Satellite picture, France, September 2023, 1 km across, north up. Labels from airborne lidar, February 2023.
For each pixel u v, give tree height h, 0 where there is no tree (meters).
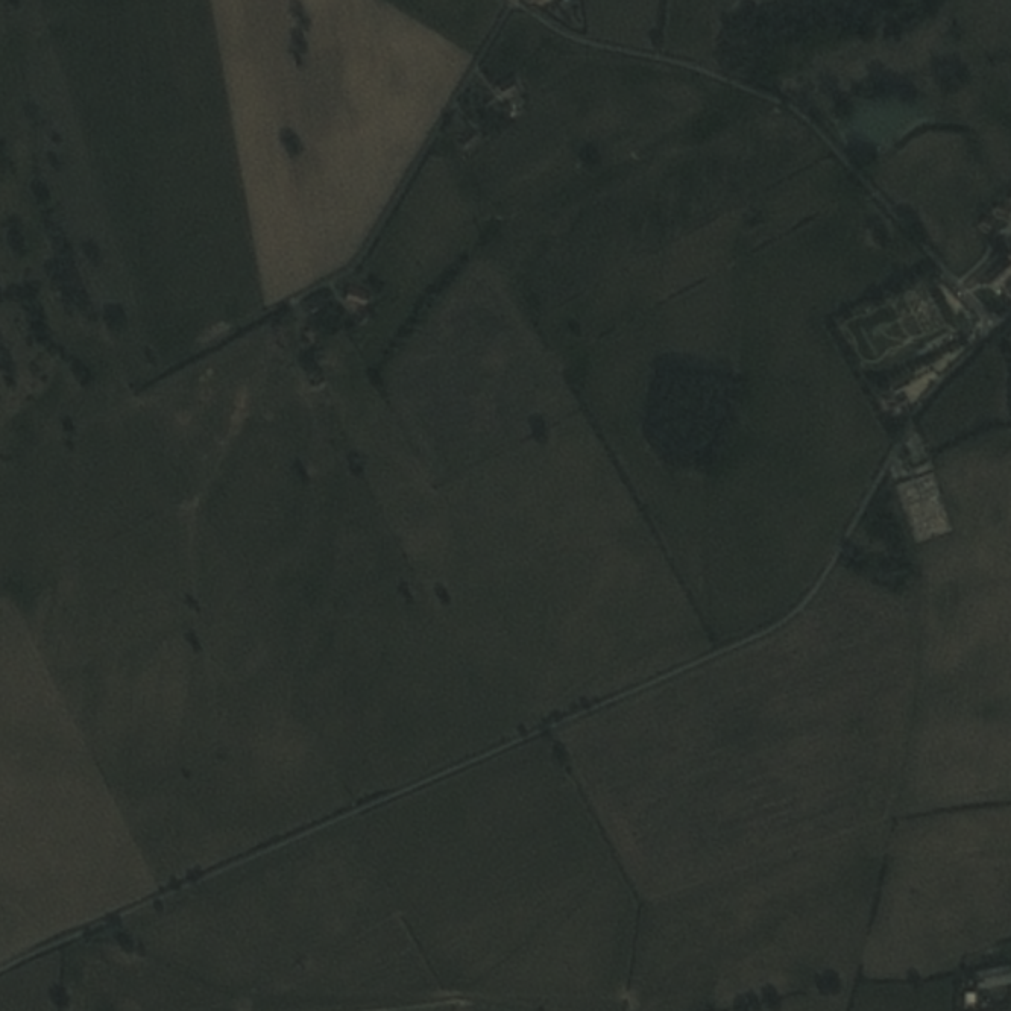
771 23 19
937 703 0
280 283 0
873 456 0
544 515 0
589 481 0
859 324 0
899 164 0
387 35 0
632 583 0
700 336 0
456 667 0
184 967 0
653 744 0
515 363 0
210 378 0
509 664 0
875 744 0
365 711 0
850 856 0
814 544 0
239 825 0
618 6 0
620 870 0
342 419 0
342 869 0
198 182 0
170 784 0
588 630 0
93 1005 0
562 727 0
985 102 0
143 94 0
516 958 0
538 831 0
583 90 0
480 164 0
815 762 0
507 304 0
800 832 0
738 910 0
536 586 0
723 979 0
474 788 0
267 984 0
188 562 0
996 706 0
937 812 0
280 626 0
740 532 0
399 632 0
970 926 0
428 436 0
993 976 0
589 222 0
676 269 0
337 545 0
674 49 0
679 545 0
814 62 0
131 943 12
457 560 0
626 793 0
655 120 0
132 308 0
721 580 0
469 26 0
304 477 16
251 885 0
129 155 0
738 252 0
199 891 0
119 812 0
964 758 0
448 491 0
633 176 0
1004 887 0
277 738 0
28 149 0
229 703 0
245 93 0
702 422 26
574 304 0
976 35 0
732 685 0
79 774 0
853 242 0
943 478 0
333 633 0
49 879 0
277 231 0
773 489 0
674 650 0
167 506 0
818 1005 0
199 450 0
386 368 0
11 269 0
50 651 0
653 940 0
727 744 0
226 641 0
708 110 0
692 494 0
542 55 0
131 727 0
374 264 0
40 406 0
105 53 0
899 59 0
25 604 0
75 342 0
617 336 0
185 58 0
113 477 0
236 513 0
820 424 0
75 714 0
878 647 0
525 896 0
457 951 0
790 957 0
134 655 0
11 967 0
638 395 0
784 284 0
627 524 0
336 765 0
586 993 0
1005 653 0
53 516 0
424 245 0
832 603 0
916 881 0
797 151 0
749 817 0
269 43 0
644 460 0
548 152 0
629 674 0
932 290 9
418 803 0
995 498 0
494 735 0
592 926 0
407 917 0
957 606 0
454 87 0
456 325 0
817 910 0
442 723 0
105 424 0
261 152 0
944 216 0
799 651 0
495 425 0
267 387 0
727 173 0
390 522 0
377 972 0
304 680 0
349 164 0
